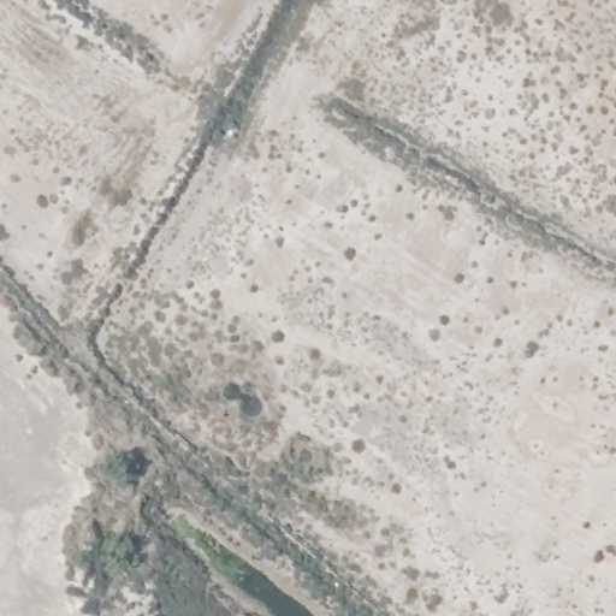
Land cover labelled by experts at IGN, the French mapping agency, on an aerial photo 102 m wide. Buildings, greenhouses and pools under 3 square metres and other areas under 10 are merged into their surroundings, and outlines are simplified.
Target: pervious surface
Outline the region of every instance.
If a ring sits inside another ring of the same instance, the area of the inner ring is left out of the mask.
[[[253,546],[243,537],[241,529],[229,527],[219,515],[205,515],[205,505],[185,510],[171,503],[166,513],[171,517],[185,517],[195,529],[209,534],[226,551],[241,556],[248,565],[267,575],[284,594],[296,599],[313,616],[337,616],[339,604],[332,597],[315,599],[310,590],[303,587],[306,573],[294,568],[291,558],[267,558],[260,546]]]
[[[128,616],[140,616],[152,606],[154,599],[132,592],[132,587],[123,587],[123,597],[128,602],[135,602],[135,609],[128,611]]]
[[[51,375],[39,356],[34,356],[26,347],[22,347],[14,339],[14,322],[10,320],[10,308],[0,301],[0,616],[89,616],[79,597],[67,594],[67,561],[63,553],[63,537],[67,525],[72,522],[75,505],[79,505],[82,498],[91,493],[91,481],[84,474],[87,467],[96,462],[94,440],[87,436],[89,409],[79,409],[77,395],[67,390],[65,378]]]
[[[120,368],[125,380],[135,383],[137,387],[147,383],[147,373],[168,375],[171,366],[190,371],[190,378],[185,380],[188,390],[209,390],[214,385],[226,387],[233,383],[250,383],[260,402],[260,411],[267,421],[274,421],[279,428],[265,431],[262,436],[241,433],[241,404],[236,399],[214,402],[207,416],[202,416],[197,409],[188,409],[190,428],[185,431],[197,445],[205,445],[209,455],[233,460],[233,467],[241,472],[255,472],[262,462],[279,460],[294,433],[306,433],[318,445],[327,445],[332,452],[332,474],[315,481],[315,491],[327,498],[327,510],[322,510],[320,515],[308,510],[282,515],[282,534],[313,561],[318,561],[322,573],[332,578],[334,587],[347,587],[351,592],[349,599],[356,606],[371,606],[375,616],[616,616],[616,270],[609,272],[590,267],[573,250],[558,248],[556,253],[549,253],[537,245],[527,245],[520,238],[522,229],[515,221],[498,221],[496,217],[479,214],[472,205],[472,193],[457,178],[414,164],[409,164],[402,171],[399,166],[395,166],[392,147],[371,154],[361,144],[354,144],[347,135],[342,135],[342,130],[325,123],[325,113],[318,108],[315,96],[330,94],[344,79],[361,82],[363,94],[378,101],[378,118],[390,118],[409,125],[431,144],[452,147],[462,154],[464,168],[484,171],[496,188],[510,193],[522,205],[539,209],[541,214],[558,214],[565,224],[573,226],[575,233],[594,243],[594,255],[602,262],[616,262],[616,0],[327,0],[310,7],[306,26],[294,36],[294,41],[286,48],[284,65],[270,79],[257,103],[248,108],[253,120],[260,125],[255,144],[260,156],[245,161],[238,156],[231,159],[221,154],[219,166],[207,166],[202,161],[180,202],[176,205],[173,214],[154,238],[137,277],[128,279],[123,272],[137,257],[140,243],[161,214],[164,200],[173,195],[176,185],[185,176],[185,168],[200,144],[202,125],[197,118],[197,101],[202,96],[205,84],[212,84],[217,79],[217,70],[221,63],[248,63],[253,58],[262,34],[267,31],[274,7],[282,0],[89,0],[91,5],[99,5],[111,19],[130,24],[132,31],[156,43],[159,72],[144,72],[144,67],[140,65],[140,53],[125,58],[106,41],[106,36],[99,36],[91,26],[84,26],[82,19],[77,19],[70,10],[58,7],[55,0],[0,0],[0,255],[14,270],[17,279],[26,284],[34,298],[48,308],[58,325],[72,325],[84,318],[96,320],[101,313],[94,306],[99,286],[103,286],[106,291],[113,291],[116,284],[123,286],[123,296],[113,303],[111,318],[99,330],[96,339],[106,361]]]
[[[197,544],[195,537],[185,541],[190,551],[197,553],[209,570],[205,592],[214,594],[214,599],[224,609],[229,609],[231,616],[272,616],[272,611],[265,604],[248,597],[243,590],[229,582],[229,578],[219,573],[221,565]]]

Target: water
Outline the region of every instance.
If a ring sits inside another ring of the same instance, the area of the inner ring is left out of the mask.
[[[272,616],[313,616],[296,599],[284,594],[267,575],[248,565],[241,556],[226,551],[209,534],[195,529],[185,517],[171,517],[178,539],[185,541],[195,537],[197,544],[221,565],[219,573],[229,578],[229,582],[243,590],[248,597],[265,604],[272,611]]]

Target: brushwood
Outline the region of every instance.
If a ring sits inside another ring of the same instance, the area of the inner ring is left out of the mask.
[[[231,159],[238,156],[245,161],[260,156],[255,144],[260,125],[253,120],[248,108],[257,103],[270,79],[284,65],[286,48],[294,41],[294,36],[306,26],[310,7],[327,0],[282,0],[274,7],[267,31],[262,34],[253,58],[248,63],[221,63],[217,70],[217,79],[212,84],[205,84],[202,96],[197,101],[197,118],[202,125],[200,144],[185,168],[185,176],[176,185],[173,195],[164,200],[161,214],[140,243],[137,257],[123,272],[128,279],[137,277],[154,238],[173,214],[176,205],[180,202],[202,161],[207,166],[219,166],[221,154]]]
[[[472,193],[472,205],[479,214],[496,217],[498,221],[515,221],[522,229],[520,238],[527,245],[537,245],[549,253],[556,253],[558,248],[573,250],[590,267],[609,272],[616,270],[616,262],[602,262],[594,255],[594,243],[575,233],[573,226],[565,224],[558,214],[541,214],[539,209],[522,205],[510,193],[496,188],[484,171],[464,168],[462,154],[452,147],[431,144],[409,125],[390,118],[378,118],[378,101],[363,94],[361,82],[344,79],[330,94],[315,96],[318,108],[325,113],[325,123],[342,130],[342,135],[347,135],[354,144],[361,144],[371,154],[392,147],[395,166],[399,166],[402,171],[409,164],[414,164],[457,178]]]
[[[77,19],[82,19],[84,26],[91,26],[99,36],[106,36],[106,41],[125,58],[140,53],[140,65],[144,67],[144,72],[159,72],[156,43],[132,31],[130,24],[111,19],[99,5],[91,5],[89,0],[55,0],[58,7],[70,10]]]
[[[67,561],[67,594],[79,597],[89,616],[128,616],[128,611],[135,609],[135,602],[128,602],[123,597],[123,587],[132,587],[132,592],[154,599],[152,606],[140,616],[231,616],[229,609],[224,609],[214,599],[214,594],[205,592],[209,570],[197,553],[190,551],[185,541],[178,539],[171,517],[166,513],[171,503],[185,510],[205,505],[205,515],[219,515],[229,527],[241,529],[243,537],[253,546],[260,546],[267,558],[291,558],[294,568],[306,573],[303,587],[310,590],[315,599],[332,597],[339,604],[337,616],[375,616],[371,606],[356,606],[349,599],[351,592],[347,587],[334,587],[332,578],[322,573],[318,561],[313,561],[282,534],[282,515],[308,510],[320,515],[322,510],[327,510],[327,498],[315,491],[315,481],[332,474],[332,452],[327,445],[318,445],[306,433],[294,433],[279,460],[262,462],[255,472],[241,472],[233,467],[233,460],[209,455],[205,445],[197,445],[185,431],[190,428],[188,409],[197,409],[202,416],[207,416],[214,402],[236,399],[241,404],[241,433],[262,436],[265,431],[279,428],[274,421],[267,421],[260,411],[260,402],[250,383],[233,383],[226,387],[214,385],[209,390],[188,390],[185,380],[190,378],[190,371],[171,366],[168,375],[147,373],[147,383],[137,387],[135,383],[125,380],[120,368],[106,361],[96,339],[99,330],[111,318],[113,303],[123,296],[123,286],[116,284],[113,291],[106,291],[103,286],[99,286],[94,306],[101,313],[96,320],[84,318],[72,325],[58,325],[48,308],[34,298],[26,284],[17,279],[14,270],[0,255],[0,301],[10,308],[10,320],[14,322],[14,339],[22,347],[26,347],[34,356],[39,356],[51,375],[65,378],[67,390],[77,395],[79,409],[89,409],[87,436],[94,440],[96,462],[87,467],[84,474],[91,481],[91,493],[82,498],[79,505],[75,505],[72,522],[67,525],[63,537],[63,553]]]

